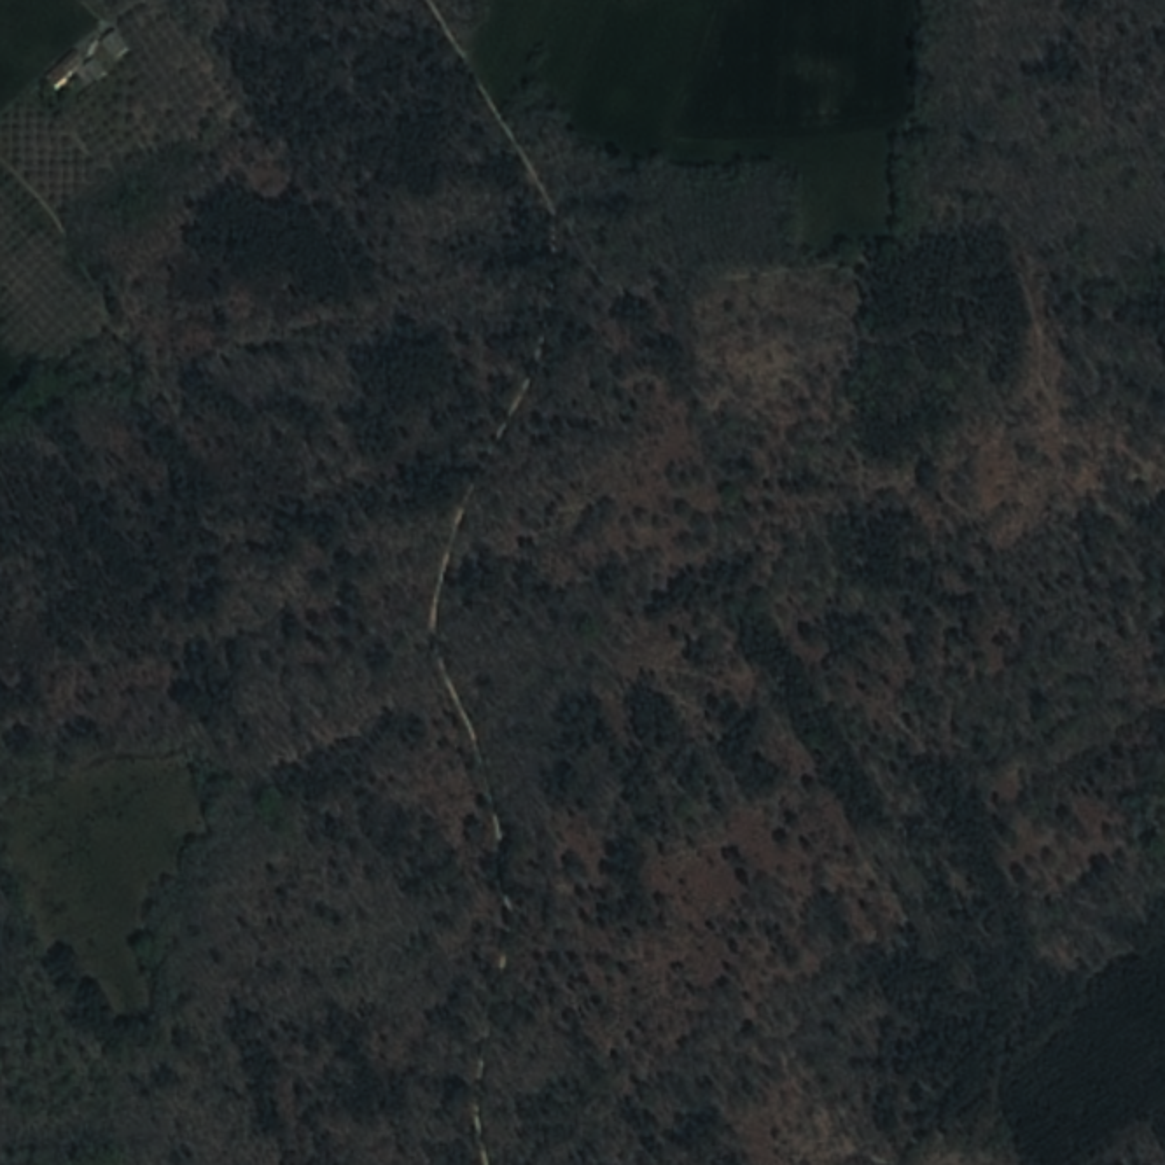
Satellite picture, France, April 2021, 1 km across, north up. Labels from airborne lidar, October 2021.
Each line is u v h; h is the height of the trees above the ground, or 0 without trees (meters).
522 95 11
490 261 6
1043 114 13
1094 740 12
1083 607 14
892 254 17
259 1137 9
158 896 13
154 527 9
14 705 25
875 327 19
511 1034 16
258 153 7
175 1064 18
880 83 0
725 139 0
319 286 22
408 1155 16
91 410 10
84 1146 22
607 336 10
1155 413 17
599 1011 15
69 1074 14
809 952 11
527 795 16
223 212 20
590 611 18
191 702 24
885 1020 9
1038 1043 20
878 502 10
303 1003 10
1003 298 21
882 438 21
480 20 15
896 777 15
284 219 19
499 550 7
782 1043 14
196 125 11
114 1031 19
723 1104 16
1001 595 8
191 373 11
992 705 14
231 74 13
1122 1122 13
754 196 13
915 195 22
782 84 0
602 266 12
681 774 20
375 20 8
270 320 14
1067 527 13
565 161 10
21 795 14
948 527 9
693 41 0
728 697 9
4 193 8
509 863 17
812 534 10
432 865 12
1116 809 6
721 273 21
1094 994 13
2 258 10
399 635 16
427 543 10
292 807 17
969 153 16
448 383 23
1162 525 23
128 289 15
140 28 12
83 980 8
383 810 13
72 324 10
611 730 21
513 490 16
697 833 10
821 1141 11
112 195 16
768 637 18
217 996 8
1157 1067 10
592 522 15
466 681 17
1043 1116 14
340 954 10
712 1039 14
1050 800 13
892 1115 9
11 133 8
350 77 13
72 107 10
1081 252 19
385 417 14
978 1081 21
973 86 10
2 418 22
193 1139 11
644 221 19
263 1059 12
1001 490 0
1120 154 16
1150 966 13
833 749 20
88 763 17
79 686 8
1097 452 14
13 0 0
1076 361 20
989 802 14
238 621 17
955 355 21
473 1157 11
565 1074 13
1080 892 15
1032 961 20
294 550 27
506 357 23
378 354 11
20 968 14
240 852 16
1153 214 17
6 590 8
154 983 13
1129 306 17
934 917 19
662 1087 11
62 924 0
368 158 16
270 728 15
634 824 10
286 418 24
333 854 10
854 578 15
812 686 19
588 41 0
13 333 11
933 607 23
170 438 12
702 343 18
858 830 15
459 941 14
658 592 9
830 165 0
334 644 14
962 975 14
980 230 17
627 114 0
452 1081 12
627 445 9
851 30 0
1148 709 9
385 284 13
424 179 19
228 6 11
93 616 16
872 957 15
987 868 19
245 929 16
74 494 17
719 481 14
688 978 18
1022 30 12
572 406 9
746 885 0
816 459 14
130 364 7
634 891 24
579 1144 11
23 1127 10
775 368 0
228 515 11
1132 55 9
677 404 10
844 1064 15
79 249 16
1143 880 15
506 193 16
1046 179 18
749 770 13
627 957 11
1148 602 10
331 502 8
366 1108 18
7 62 0
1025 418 10
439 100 24
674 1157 16
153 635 18
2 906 18
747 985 9
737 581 16
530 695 14
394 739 17
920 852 25
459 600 22
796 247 13
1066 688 11
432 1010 11
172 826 0
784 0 0
